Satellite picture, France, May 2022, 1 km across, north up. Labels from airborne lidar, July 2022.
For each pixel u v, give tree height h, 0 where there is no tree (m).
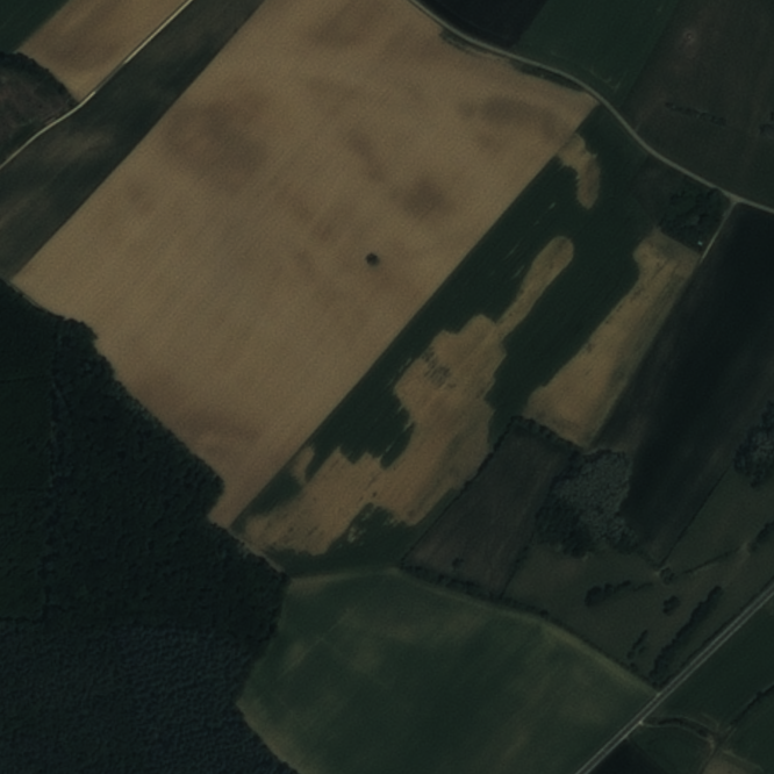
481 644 0
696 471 0
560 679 0
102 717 18
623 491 19
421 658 0
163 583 18
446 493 0
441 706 0
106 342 0
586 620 0
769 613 0
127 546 20
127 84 0
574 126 0
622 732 0
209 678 29
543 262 0
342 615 0
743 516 0
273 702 0
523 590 0
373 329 0
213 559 18
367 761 0
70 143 0
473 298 0
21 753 11
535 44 0
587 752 0
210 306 0
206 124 0
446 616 0
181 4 0
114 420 24
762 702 12
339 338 0
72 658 22
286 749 0
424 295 0
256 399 0
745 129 0
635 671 8
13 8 0
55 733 12
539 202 0
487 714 0
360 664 0
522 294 0
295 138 0
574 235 0
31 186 0
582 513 18
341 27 0
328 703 0
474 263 0
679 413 0
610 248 0
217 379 0
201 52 0
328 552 0
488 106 0
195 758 26
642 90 0
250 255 0
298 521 0
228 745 33
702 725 0
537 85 0
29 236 0
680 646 11
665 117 0
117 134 0
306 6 0
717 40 0
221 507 0
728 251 0
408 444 0
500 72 0
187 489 20
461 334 0
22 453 7
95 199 0
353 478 0
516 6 0
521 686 0
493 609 0
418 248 0
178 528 24
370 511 0
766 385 0
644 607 0
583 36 0
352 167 0
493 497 0
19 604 8
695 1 0
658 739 0
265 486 0
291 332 0
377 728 0
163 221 0
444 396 0
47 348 17
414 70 0
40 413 7
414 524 0
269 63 0
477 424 0
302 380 0
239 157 0
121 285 0
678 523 0
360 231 0
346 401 0
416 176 0
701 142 0
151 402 0
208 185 0
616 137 0
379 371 0
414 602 0
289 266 0
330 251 0
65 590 22
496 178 0
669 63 0
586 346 0
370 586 0
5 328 16
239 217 0
